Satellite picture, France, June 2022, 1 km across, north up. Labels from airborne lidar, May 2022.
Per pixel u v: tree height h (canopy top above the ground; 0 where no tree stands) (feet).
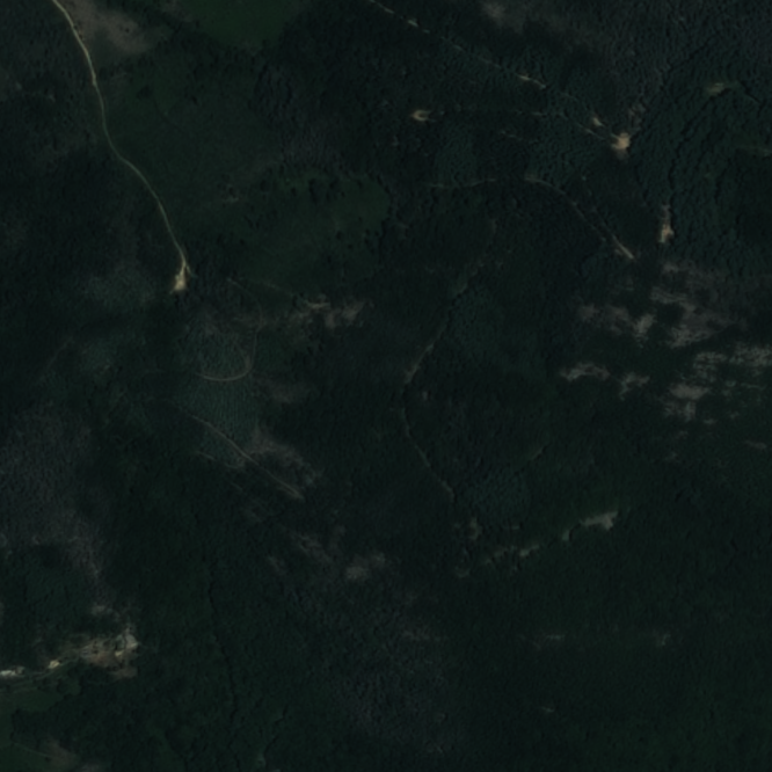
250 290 20
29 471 26
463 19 47
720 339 23
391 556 33
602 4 46
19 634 32
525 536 62
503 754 81
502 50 37
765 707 67
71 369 24
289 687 56
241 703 44
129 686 56
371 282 40
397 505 46
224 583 50
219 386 36
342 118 36
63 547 31
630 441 43
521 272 47
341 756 46
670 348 21
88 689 59
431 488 50
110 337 38
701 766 58
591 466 50
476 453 50
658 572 83
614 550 89
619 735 46
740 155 68
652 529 76
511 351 55
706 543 84
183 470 35
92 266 29
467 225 56
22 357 27
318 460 35
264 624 38
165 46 39
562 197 67
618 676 41
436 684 55
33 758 0
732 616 38
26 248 23
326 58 40
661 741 58
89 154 61
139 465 47
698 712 65
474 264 31
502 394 90
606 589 78
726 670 53
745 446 31
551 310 62
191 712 40
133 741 28
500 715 73
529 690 64
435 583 35
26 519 38
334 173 64
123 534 61
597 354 24
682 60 76
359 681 34
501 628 43
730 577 69
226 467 21
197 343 32
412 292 46
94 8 0
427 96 62
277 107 55
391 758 55
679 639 28
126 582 60
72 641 24
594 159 76
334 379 39
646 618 57
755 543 52
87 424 34
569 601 74
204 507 36
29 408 20
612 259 56
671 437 25
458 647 40
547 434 79
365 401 78
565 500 77
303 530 22
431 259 36
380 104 66
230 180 39
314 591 41
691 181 116
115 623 24
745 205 61
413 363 31
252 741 53
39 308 45
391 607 34
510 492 79
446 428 62
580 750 72
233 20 0
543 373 67
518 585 65
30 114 28
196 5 0
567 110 84
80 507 42
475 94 42
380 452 50
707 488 70
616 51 39
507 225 56
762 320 37
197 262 28
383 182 75
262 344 26
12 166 39
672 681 57
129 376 35
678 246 104
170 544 71
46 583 79
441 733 61
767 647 44
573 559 89
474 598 56
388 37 70
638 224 44
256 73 67
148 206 34
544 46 37
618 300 27
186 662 71
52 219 38
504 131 58
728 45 88
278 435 31
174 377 41
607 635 26
